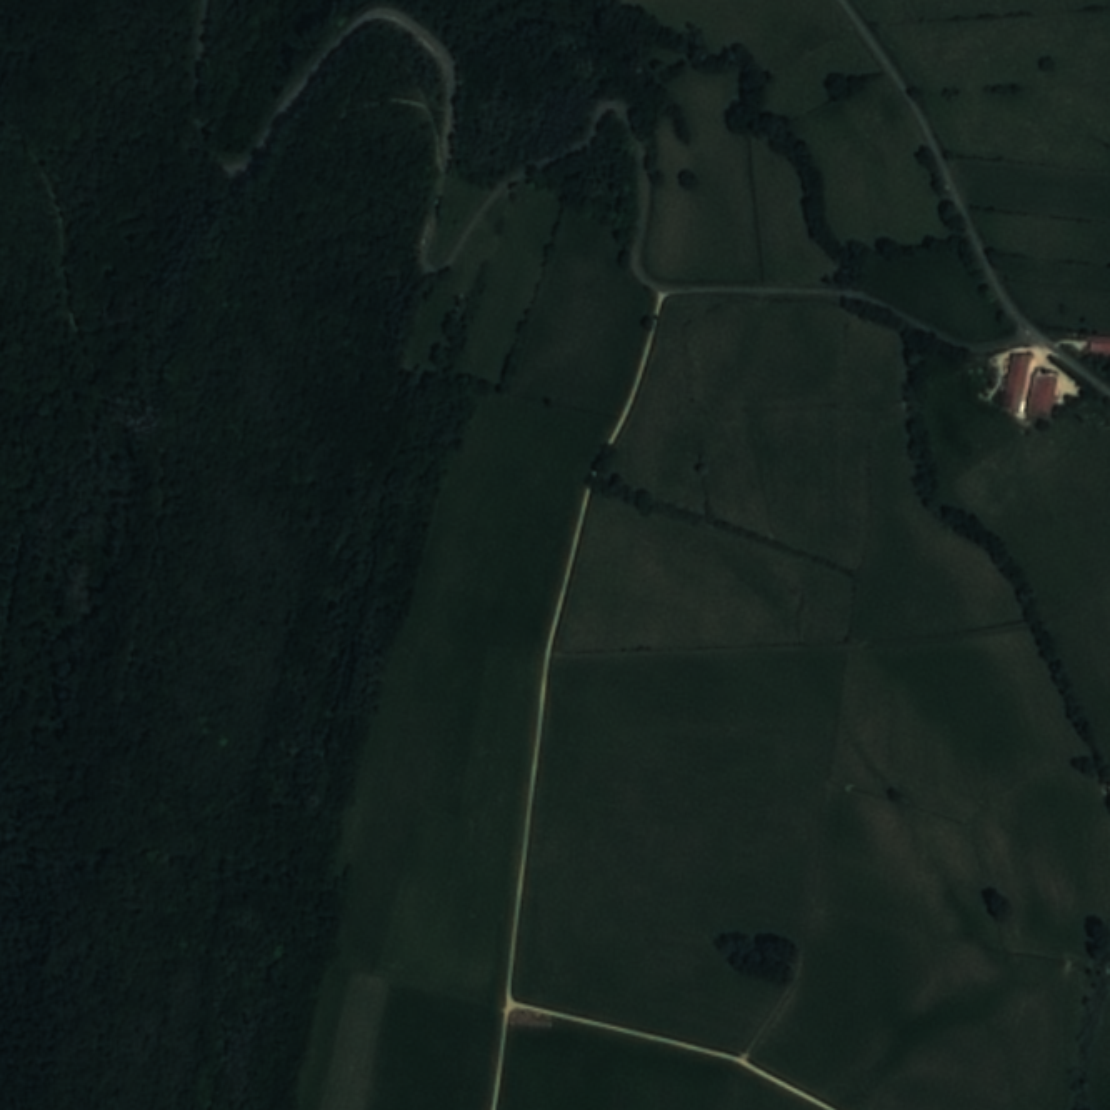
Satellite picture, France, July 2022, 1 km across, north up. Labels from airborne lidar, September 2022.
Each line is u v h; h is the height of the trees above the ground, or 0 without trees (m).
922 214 0
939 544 0
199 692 9
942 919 0
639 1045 0
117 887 17
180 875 7
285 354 6
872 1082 0
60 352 14
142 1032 13
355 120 8
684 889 0
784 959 33
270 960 11
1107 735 0
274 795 16
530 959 0
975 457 0
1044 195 0
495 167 17
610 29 22
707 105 0
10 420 22
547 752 0
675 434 0
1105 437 0
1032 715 0
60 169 18
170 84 18
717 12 0
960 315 0
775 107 0
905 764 0
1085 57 0
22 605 16
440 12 16
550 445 0
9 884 23
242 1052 20
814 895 0
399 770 0
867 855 0
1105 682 0
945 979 0
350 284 18
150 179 26
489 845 0
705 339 0
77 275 24
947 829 0
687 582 0
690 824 0
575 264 0
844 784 0
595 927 0
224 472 7
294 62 27
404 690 0
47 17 17
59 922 17
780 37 0
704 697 0
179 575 14
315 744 24
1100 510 0
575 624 0
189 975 6
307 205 14
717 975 0
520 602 0
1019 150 0
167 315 7
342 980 0
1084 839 0
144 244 23
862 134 0
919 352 21
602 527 0
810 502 0
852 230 0
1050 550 0
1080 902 0
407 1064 0
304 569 7
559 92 17
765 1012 0
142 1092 6
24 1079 21
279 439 9
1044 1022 0
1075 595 0
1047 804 0
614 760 0
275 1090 19
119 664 22
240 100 10
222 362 14
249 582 7
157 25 11
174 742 6
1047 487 0
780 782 0
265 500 7
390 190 15
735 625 0
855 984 0
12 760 28
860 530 0
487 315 0
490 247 0
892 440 0
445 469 15
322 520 8
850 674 0
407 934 0
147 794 17
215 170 26
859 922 0
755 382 0
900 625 0
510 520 0
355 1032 0
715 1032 0
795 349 0
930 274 0
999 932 0
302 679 19
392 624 18
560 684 0
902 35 0
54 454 26
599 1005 0
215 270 16
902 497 0
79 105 15
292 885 19
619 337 0
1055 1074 0
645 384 0
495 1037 0
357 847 0
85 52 13
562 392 0
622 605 0
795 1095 0
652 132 17
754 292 0
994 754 0
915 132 0
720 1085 0
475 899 0
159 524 14
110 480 25
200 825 12
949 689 0
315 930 18
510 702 0
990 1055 0
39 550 27
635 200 13
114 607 17
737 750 0
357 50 10
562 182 14
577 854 0
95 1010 17
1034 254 0
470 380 15
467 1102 0
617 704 0
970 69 0
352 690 22
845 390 0
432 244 0
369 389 20
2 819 34
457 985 0
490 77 19
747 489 0
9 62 24
